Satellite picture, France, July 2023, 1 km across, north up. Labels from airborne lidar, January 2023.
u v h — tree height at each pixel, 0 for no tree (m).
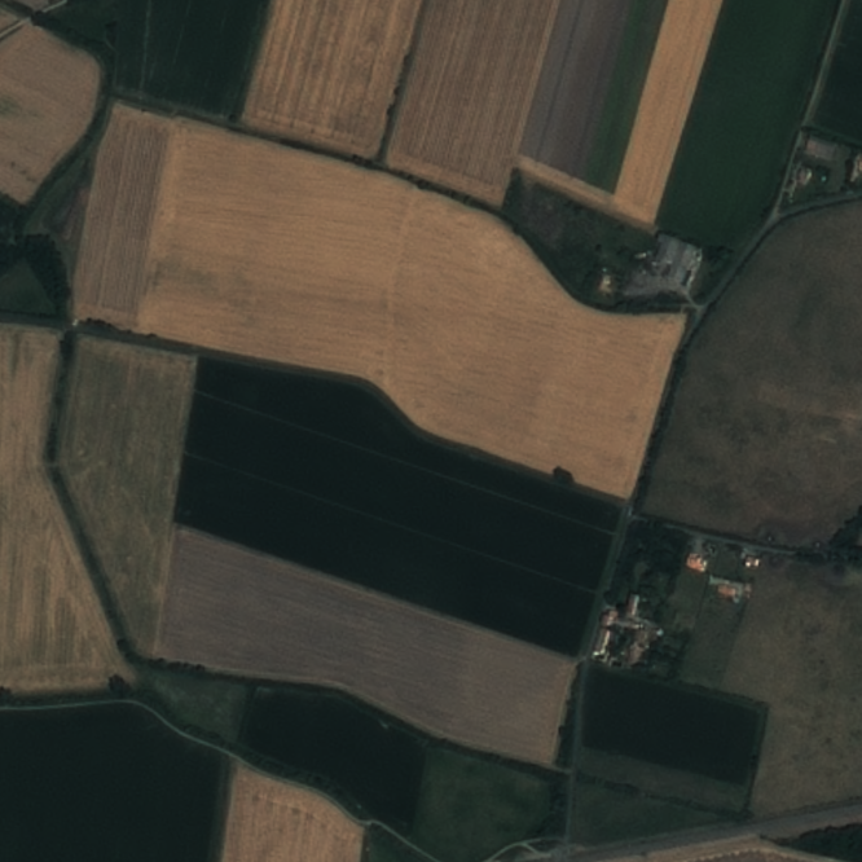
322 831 0
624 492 0
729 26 0
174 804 0
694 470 0
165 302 0
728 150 0
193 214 0
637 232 0
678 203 0
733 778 0
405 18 0
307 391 0
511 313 0
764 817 0
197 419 0
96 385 0
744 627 0
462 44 0
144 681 0
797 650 0
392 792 0
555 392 0
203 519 0
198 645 0
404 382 0
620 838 0
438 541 0
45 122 0
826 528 0
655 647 8
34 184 0
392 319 0
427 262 0
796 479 0
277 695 0
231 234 0
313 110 0
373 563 0
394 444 0
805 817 0
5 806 0
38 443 0
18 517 0
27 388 0
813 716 0
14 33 0
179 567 0
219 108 0
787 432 0
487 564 0
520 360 0
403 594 0
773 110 0
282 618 0
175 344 0
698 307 0
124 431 0
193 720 0
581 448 0
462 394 0
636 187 0
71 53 0
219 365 0
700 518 0
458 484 0
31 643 0
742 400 0
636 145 0
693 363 0
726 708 0
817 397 0
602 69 0
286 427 0
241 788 0
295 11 0
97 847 0
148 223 0
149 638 0
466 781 0
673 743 0
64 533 0
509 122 0
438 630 0
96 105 0
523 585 0
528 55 0
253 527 0
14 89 0
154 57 0
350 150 0
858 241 0
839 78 0
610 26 0
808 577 0
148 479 0
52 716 0
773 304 0
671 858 0
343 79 0
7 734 0
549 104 0
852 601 0
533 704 0
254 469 0
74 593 0
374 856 0
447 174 0
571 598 0
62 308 10
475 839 0
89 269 0
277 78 0
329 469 0
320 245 0
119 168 0
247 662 0
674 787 0
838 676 0
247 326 0
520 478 0
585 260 0
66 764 0
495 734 0
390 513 0
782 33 0
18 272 0
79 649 0
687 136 0
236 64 0
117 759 0
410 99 0
